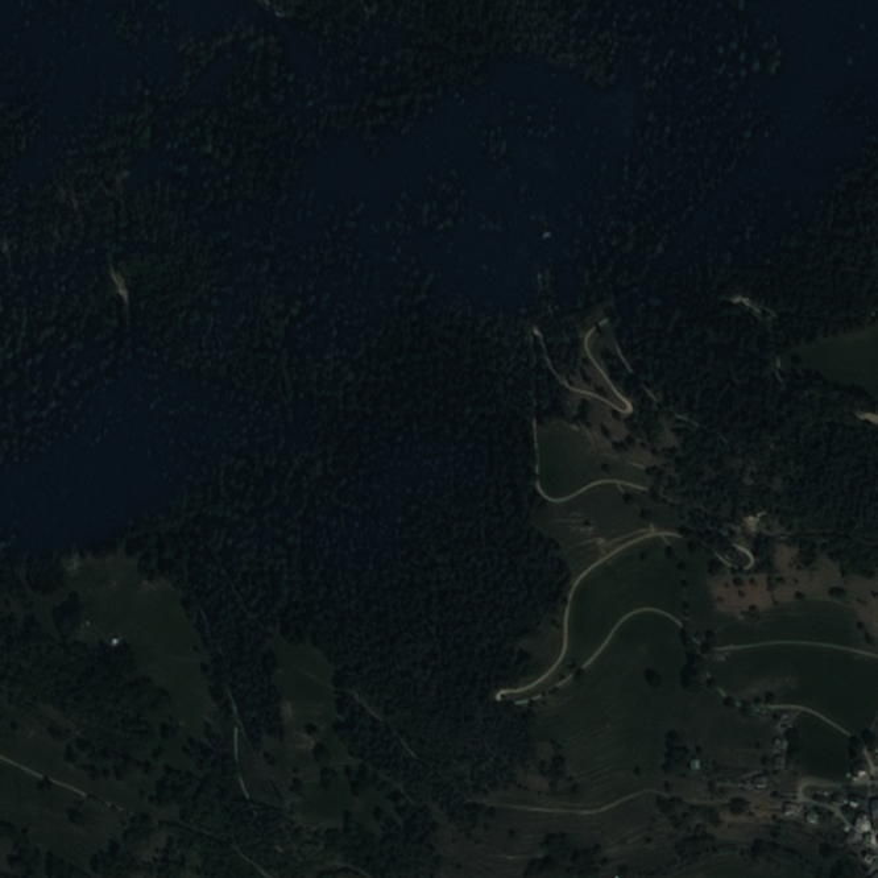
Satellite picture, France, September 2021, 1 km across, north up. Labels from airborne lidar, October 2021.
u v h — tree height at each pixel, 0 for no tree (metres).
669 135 20
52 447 7
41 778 0
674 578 0
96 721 19
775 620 0
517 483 23
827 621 0
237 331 17
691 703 0
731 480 14
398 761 11
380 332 24
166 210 18
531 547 16
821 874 11
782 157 12
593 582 0
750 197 17
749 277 18
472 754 10
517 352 14
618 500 0
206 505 19
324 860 17
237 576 25
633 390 17
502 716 13
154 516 26
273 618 26
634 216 24
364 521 14
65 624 21
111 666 20
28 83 29
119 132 15
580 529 0
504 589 22
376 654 17
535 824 0
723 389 19
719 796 6
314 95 18
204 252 16
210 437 27
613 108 7
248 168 21
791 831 0
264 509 7
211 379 18
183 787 15
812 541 8
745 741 0
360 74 16
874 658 0
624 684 0
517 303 8
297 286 18
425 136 20
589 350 0
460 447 11
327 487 11
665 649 0
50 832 0
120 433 31
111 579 0
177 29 9
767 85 10
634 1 13
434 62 23
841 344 0
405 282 24
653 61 9
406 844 12
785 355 14
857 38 9
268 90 20
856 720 0
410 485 23
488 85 20
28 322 35
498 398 18
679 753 16
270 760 10
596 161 21
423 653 9
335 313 22
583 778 0
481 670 16
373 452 16
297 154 25
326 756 14
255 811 10
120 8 23
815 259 20
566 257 28
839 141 17
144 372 32
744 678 0
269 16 19
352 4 16
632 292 29
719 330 27
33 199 16
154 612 0
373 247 11
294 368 15
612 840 0
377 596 26
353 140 22
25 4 29
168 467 25
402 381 21
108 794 0
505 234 9
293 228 18
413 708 15
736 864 0
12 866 17
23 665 14
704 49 30
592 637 0
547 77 8
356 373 22
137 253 19
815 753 0
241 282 24
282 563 35
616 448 14
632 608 0
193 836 13
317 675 0
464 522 17
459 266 14
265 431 28
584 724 0
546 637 0
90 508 23
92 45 16
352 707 6
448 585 19
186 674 0
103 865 13
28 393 29
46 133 12
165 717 0
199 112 23
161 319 22
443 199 14
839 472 21
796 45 10
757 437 16
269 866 13
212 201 21
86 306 23
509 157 12
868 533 13
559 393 15
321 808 0
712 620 0
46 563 12
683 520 11
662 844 0
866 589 0
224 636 13
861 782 0
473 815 18
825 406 12
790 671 0
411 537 15
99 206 21
